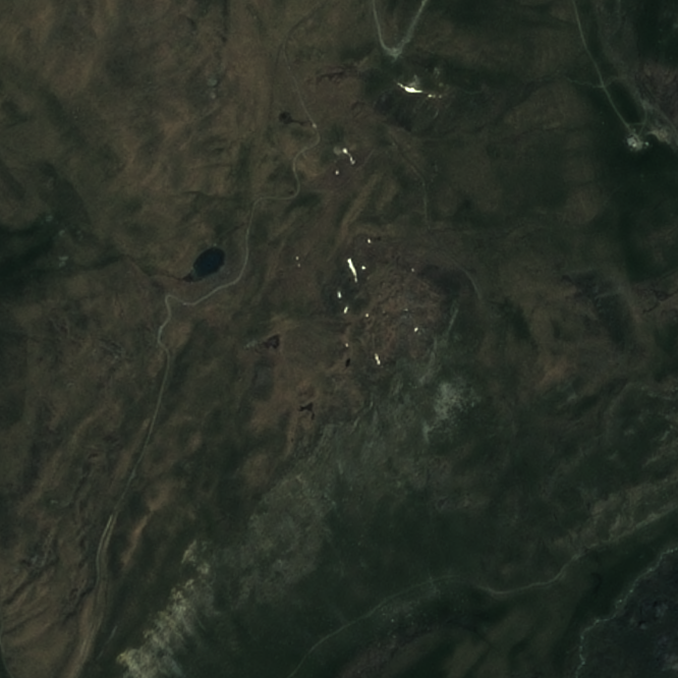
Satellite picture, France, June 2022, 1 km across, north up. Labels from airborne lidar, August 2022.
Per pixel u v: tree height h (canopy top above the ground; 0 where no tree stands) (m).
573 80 0
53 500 0
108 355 0
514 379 0
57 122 0
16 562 0
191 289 0
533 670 0
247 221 0
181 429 0
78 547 0
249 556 0
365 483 0
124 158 0
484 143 0
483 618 0
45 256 0
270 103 0
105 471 0
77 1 0
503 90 0
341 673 0
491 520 0
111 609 0
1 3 0
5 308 0
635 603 0
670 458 0
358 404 0
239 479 0
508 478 0
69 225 0
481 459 0
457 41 0
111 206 0
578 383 0
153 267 0
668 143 0
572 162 0
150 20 0
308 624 0
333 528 0
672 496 0
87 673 0
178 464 0
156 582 0
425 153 0
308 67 0
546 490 0
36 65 0
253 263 0
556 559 0
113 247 0
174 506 0
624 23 0
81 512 0
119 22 0
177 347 0
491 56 0
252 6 0
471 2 0
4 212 0
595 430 0
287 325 0
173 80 0
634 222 0
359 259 0
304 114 0
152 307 0
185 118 0
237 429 0
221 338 0
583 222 0
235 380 0
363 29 0
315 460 9
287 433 0
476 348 0
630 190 0
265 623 0
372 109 0
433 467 0
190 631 0
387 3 0
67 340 0
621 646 0
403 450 0
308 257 0
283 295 0
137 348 0
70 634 0
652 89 0
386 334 0
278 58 0
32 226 0
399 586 0
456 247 0
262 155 0
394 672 0
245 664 0
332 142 0
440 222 0
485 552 0
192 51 0
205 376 0
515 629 0
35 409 0
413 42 0
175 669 0
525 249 0
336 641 0
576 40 0
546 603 0
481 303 0
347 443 0
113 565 0
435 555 0
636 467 0
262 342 0
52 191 0
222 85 0
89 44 0
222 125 0
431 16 0
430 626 0
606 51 0
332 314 0
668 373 0
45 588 0
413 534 0
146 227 0
